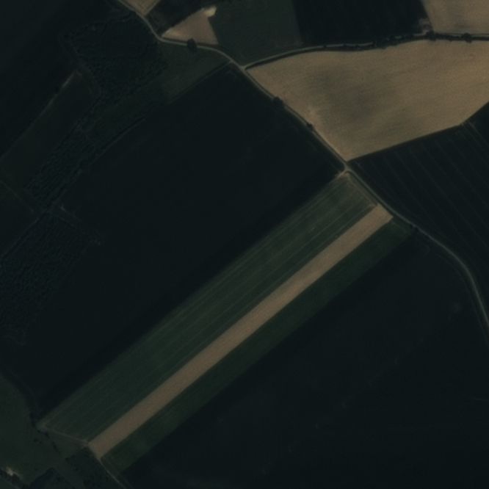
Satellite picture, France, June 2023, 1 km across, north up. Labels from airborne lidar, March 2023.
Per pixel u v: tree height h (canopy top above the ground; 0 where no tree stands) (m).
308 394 0
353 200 0
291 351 0
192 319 0
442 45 0
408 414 0
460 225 0
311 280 0
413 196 0
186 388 0
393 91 0
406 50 0
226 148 0
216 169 0
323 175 0
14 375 0
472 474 0
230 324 0
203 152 0
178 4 0
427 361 0
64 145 12
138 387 0
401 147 0
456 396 0
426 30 0
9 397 0
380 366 0
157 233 0
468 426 0
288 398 0
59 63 0
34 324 0
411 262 0
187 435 0
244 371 0
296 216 0
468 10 0
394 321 0
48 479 19
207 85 0
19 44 0
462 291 0
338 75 0
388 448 0
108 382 0
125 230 0
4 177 0
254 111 0
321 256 0
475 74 0
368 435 0
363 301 0
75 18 0
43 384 0
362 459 0
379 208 0
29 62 0
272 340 0
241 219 0
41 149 0
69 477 0
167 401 0
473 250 0
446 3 0
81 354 0
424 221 0
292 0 0
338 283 0
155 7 0
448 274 0
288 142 0
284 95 0
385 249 0
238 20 0
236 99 0
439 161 0
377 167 0
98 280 0
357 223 0
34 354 0
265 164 0
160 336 0
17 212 0
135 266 0
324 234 0
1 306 17
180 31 0
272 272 0
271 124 0
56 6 0
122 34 12
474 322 0
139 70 7
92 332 0
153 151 0
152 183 0
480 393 0
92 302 0
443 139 0
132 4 0
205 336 0
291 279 0
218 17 0
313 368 0
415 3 0
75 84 0
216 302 0
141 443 0
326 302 0
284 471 0
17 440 0
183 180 0
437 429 0
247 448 0
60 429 0
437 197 0
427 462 0
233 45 0
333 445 0
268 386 0
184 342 0
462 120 0
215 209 0
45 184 7
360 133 0
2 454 0
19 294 11
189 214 0
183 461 0
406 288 0
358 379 0
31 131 0
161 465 0
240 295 0
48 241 8
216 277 0
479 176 0
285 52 0
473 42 0
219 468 0
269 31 0
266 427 0
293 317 0
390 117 0
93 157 8
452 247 0
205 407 0
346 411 0
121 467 0
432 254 0
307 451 0
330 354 0
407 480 0
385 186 0
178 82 0
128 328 0
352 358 0
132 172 0
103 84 10
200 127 0
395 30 0
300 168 0
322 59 0
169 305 0
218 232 0
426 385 0
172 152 0
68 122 0
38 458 0
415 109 0
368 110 0
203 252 0
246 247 0
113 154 0
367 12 0
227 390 0
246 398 0
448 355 0
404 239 0
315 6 0
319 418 0
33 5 0
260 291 0
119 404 0
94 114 11
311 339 0
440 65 0
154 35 6
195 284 0
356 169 0
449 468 0
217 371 0
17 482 12
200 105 0
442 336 0
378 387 0
